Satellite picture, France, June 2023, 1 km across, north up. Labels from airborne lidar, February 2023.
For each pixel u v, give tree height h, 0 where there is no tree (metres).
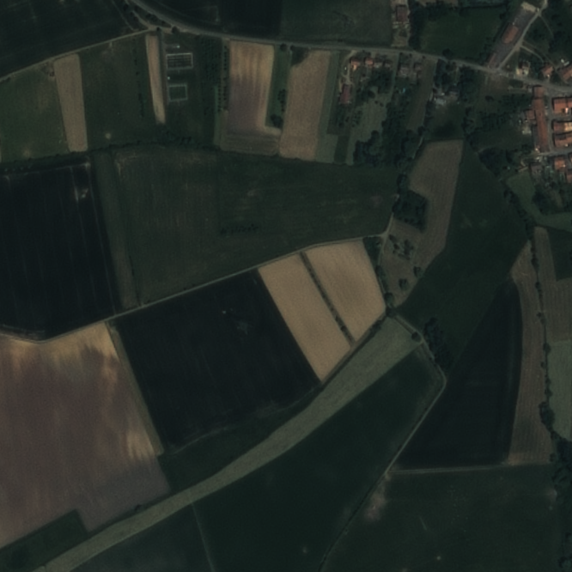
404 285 16
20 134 0
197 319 0
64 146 0
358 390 0
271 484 0
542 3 0
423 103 0
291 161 0
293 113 0
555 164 0
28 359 0
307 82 0
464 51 0
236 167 0
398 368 0
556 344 0
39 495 0
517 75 0
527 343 0
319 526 0
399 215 12
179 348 0
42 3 0
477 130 6
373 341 0
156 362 0
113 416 0
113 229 0
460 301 0
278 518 0
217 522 0
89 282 0
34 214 0
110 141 0
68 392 0
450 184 0
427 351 0
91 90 0
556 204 0
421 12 19
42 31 0
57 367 0
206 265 0
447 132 0
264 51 0
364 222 0
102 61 0
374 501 0
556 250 0
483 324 0
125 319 0
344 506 0
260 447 0
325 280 0
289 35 0
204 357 0
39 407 0
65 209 0
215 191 0
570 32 0
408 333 0
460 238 0
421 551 0
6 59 0
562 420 0
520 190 0
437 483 0
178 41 0
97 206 0
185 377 0
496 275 0
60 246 0
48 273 0
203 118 0
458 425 0
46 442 0
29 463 0
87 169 0
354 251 0
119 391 0
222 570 0
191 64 0
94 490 0
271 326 0
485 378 0
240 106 0
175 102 0
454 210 0
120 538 0
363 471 0
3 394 0
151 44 0
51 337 0
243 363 0
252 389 0
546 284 0
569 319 0
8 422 0
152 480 0
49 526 0
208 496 0
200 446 0
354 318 0
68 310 0
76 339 0
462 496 0
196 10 0
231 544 0
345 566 0
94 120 0
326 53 0
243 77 0
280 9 0
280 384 0
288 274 0
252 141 0
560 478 9
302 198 0
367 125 0
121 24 0
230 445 0
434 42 0
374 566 0
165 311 0
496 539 0
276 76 0
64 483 0
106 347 0
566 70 0
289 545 0
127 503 0
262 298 0
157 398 0
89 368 0
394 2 0
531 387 0
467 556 0
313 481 0
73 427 0
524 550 0
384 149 12
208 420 0
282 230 0
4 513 0
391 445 0
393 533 0
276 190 0
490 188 0
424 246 0
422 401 0
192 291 0
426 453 0
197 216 0
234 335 0
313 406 0
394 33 0
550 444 0
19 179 0
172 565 0
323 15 0
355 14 0
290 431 0
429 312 0
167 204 0
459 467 0
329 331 0
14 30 0
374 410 0
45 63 0
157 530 0
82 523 0
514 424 0
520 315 0
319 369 0
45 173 0
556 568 0
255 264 0
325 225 0
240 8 0
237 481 0
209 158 0
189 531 0
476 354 0
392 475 0
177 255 0
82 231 0
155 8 0
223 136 0
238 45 0
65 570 0
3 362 0
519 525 0
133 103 0
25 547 0
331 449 0
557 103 0
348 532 0
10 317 0
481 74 0
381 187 0
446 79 18
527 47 0
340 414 0
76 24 0
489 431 0
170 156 0
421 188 0
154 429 0
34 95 0
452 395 0
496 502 0
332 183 0
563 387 0
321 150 0
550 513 0
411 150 19
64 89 0
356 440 0
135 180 0
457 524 0
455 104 0
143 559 0
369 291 0
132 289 0
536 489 0
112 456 0
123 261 0
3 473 0
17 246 0
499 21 0
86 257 0
